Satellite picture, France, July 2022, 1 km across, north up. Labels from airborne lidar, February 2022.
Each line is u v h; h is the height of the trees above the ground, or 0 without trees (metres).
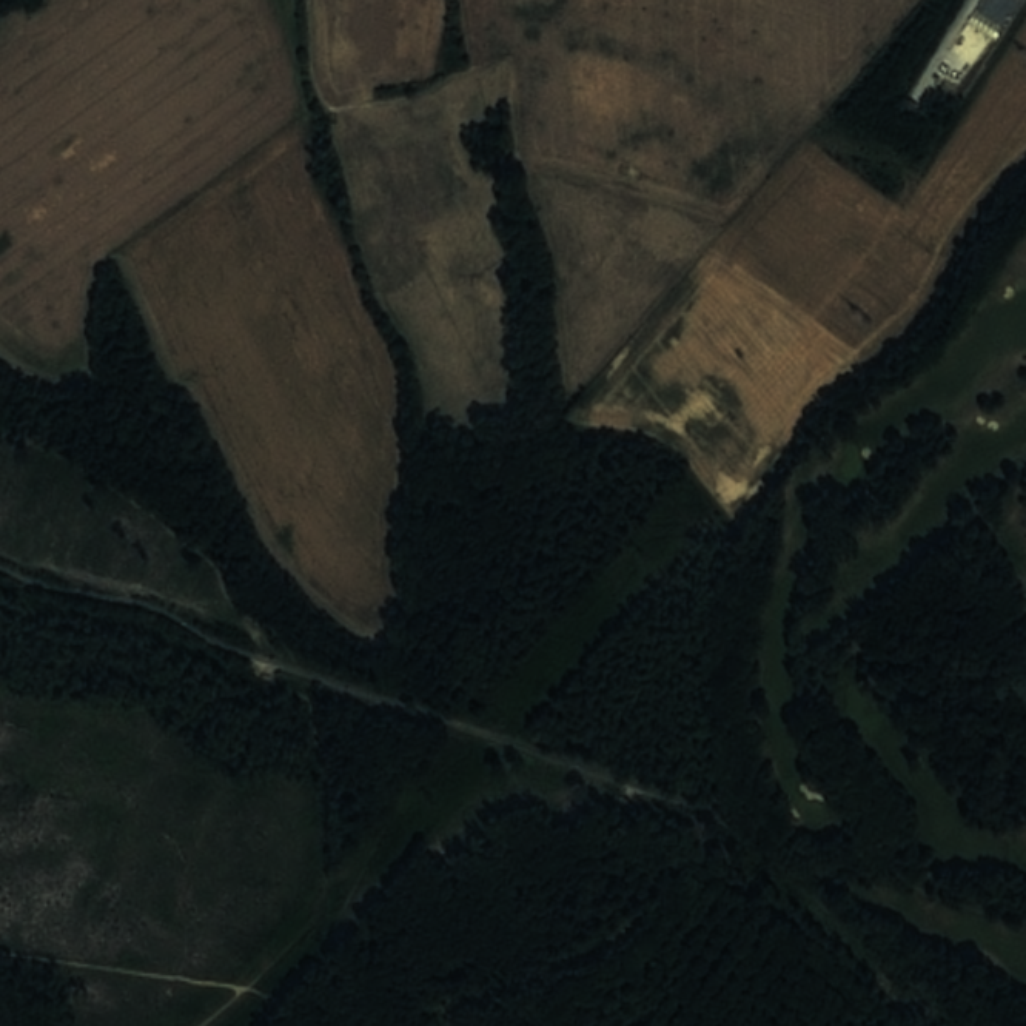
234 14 0
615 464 28
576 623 0
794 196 0
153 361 16
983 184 0
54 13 0
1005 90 0
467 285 0
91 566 0
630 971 21
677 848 18
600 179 0
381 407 0
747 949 24
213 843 0
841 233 0
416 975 20
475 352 0
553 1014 21
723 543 20
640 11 0
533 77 0
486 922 28
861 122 10
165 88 0
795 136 0
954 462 0
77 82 0
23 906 0
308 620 20
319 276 0
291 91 0
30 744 0
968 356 0
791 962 21
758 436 0
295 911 0
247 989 0
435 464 31
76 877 0
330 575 0
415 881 25
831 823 0
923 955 28
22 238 0
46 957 0
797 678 22
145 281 0
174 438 27
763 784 23
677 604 22
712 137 0
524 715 0
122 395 11
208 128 0
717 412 0
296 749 30
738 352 0
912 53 12
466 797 0
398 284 0
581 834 24
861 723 0
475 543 21
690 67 0
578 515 25
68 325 0
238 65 0
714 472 0
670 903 18
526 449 28
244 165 0
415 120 0
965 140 0
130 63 0
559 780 0
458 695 25
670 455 11
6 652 22
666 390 0
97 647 24
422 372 0
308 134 0
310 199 0
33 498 0
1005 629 31
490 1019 19
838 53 0
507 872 24
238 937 0
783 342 0
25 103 0
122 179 0
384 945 18
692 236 0
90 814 0
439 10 0
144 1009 0
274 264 0
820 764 24
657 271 0
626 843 20
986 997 30
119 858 0
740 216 0
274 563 15
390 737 23
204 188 0
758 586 26
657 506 19
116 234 0
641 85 0
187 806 0
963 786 17
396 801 17
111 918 0
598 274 0
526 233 21
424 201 0
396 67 0
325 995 26
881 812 28
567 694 22
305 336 0
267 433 0
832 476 0
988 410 13
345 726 22
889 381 17
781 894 25
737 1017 22
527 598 26
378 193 0
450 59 0
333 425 0
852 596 0
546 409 24
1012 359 0
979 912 22
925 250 0
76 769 0
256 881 0
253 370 0
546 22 0
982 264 28
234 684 26
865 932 16
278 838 0
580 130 0
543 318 20
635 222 0
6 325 0
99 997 0
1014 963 0
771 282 0
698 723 22
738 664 28
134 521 0
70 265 0
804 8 0
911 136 11
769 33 0
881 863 27
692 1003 23
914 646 27
